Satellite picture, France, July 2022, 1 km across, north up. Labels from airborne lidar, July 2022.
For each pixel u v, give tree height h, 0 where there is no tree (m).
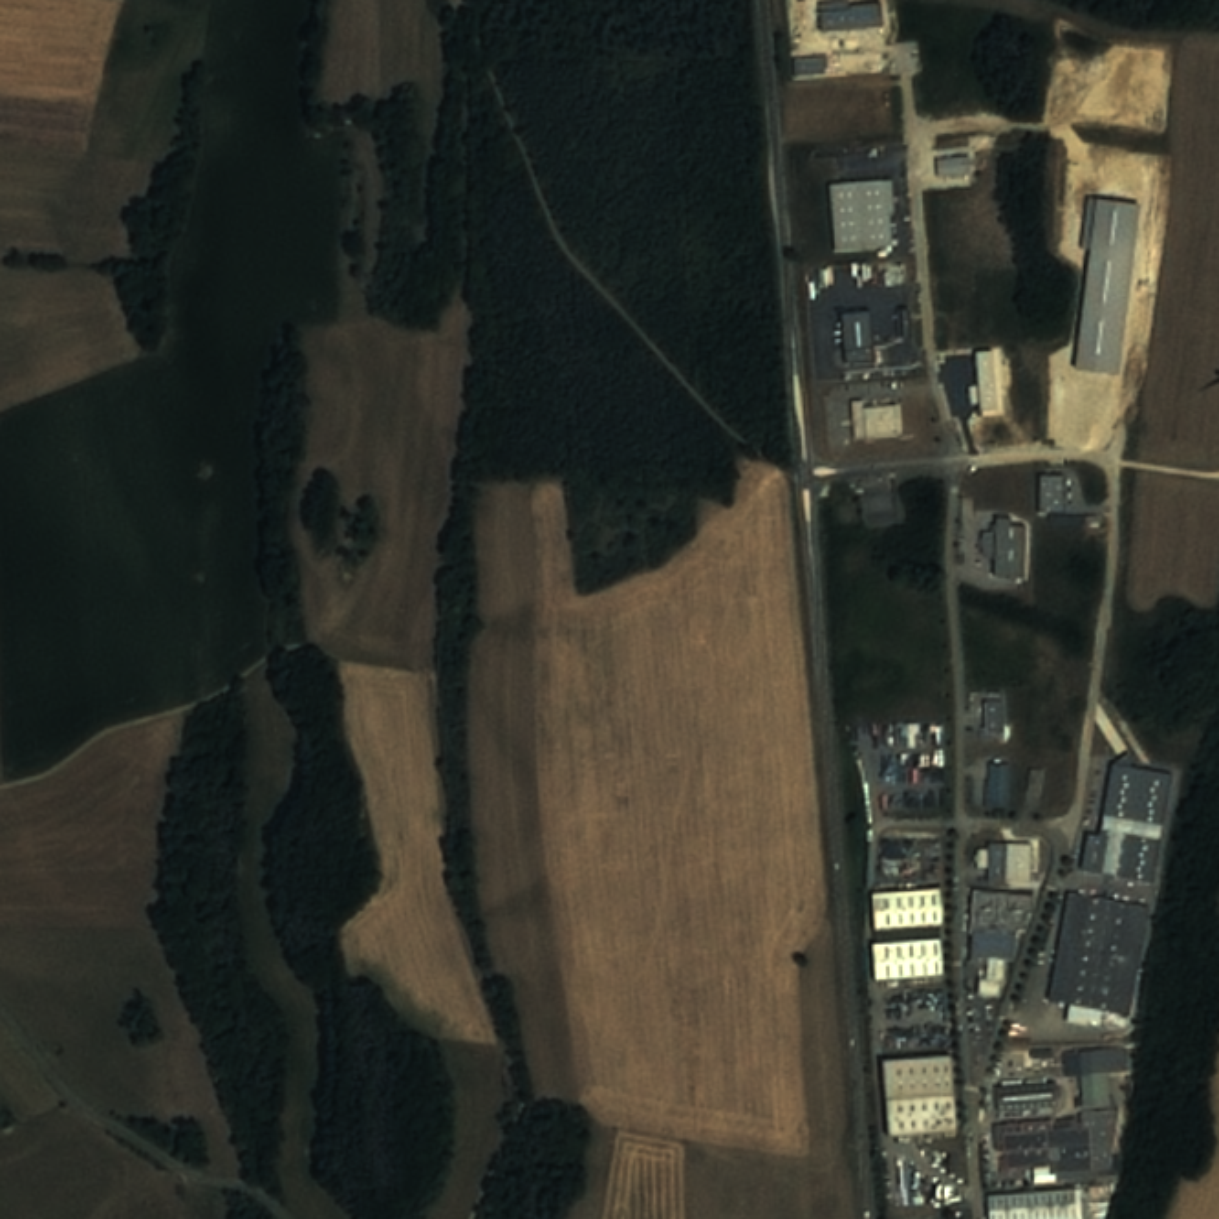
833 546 0
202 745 11
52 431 0
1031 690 0
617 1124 0
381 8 0
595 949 0
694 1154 0
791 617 0
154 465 0
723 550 0
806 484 0
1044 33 0
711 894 0
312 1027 0
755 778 0
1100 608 0
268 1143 25
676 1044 0
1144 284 0
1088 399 0
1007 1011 0
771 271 7
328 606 0
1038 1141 0
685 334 10
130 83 0
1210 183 0
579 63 11
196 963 18
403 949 0
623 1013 0
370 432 0
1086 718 0
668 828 0
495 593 0
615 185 8
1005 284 0
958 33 0
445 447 0
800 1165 0
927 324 0
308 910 19
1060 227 0
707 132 9
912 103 0
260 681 0
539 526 0
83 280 0
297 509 0
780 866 0
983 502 0
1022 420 0
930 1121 0
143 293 20
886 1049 0
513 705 0
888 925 0
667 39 17
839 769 0
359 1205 18
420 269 16
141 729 0
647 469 9
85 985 0
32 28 0
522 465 10
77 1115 0
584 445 8
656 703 0
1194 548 0
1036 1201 0
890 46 0
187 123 13
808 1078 0
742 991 0
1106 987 0
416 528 0
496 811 0
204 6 0
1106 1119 0
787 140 0
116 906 0
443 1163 17
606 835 0
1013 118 9
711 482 9
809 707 0
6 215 0
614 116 10
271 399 17
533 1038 0
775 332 8
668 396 9
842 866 0
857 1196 0
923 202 0
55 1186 0
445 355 0
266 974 0
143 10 0
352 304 0
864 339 0
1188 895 13
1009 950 0
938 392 0
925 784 0
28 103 0
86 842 0
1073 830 0
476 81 8
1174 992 20
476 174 11
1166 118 0
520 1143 15
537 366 8
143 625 0
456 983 0
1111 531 0
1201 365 0
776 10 0
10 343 0
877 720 0
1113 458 0
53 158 0
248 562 0
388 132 14
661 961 0
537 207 9
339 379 0
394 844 0
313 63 17
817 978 0
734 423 11
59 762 0
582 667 0
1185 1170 17
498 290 12
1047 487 0
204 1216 0
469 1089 0
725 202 7
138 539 0
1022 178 17
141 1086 0
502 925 0
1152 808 0
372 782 0
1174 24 7
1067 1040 0
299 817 19
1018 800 0
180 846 19
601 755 0
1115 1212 13
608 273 7
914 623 0
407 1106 23
